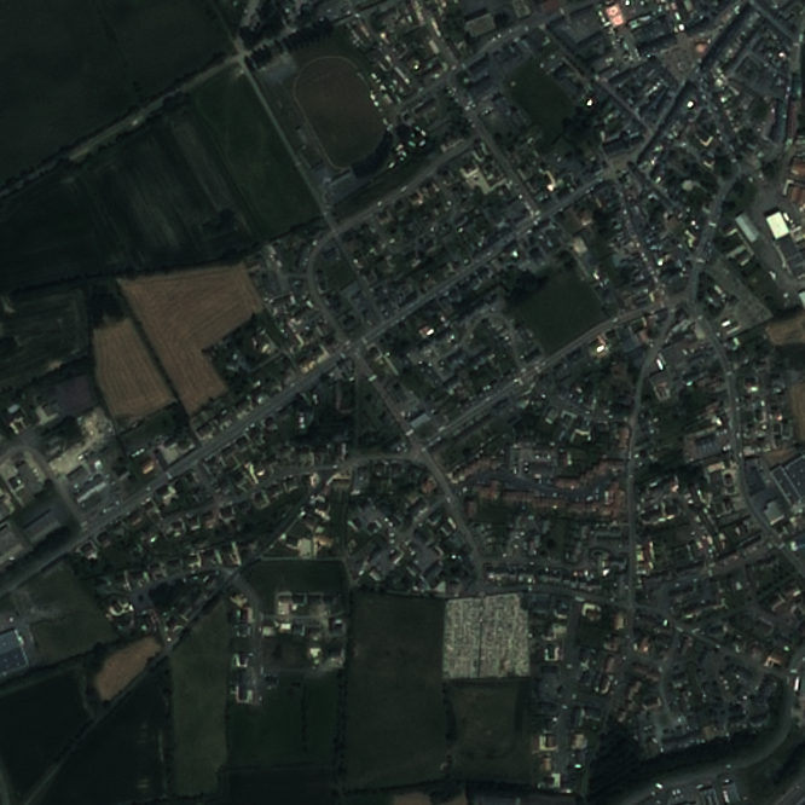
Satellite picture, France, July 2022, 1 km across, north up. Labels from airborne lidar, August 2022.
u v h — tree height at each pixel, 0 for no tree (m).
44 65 0
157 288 0
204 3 6
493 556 0
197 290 0
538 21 0
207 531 0
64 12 0
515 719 0
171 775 5
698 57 0
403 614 0
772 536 0
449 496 0
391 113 0
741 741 14
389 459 0
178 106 13
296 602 0
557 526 0
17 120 0
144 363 0
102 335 0
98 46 0
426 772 0
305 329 0
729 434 0
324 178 0
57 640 0
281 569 0
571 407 0
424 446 0
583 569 0
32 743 0
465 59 0
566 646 0
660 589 0
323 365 0
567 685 0
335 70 0
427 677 0
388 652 0
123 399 0
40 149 0
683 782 0
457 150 0
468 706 0
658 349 0
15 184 12
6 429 7
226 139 0
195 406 0
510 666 0
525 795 13
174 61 0
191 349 0
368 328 0
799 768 8
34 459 0
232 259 15
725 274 0
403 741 0
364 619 0
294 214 0
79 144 9
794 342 0
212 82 0
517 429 10
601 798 12
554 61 0
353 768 0
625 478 0
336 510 0
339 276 0
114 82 0
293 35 0
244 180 0
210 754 0
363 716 0
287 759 0
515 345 0
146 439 0
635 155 0
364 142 0
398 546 0
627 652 0
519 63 0
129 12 0
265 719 0
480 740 0
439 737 0
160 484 0
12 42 0
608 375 9
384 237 0
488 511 0
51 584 0
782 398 0
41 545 10
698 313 0
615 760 8
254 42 20
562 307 0
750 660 0
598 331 0
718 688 7
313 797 0
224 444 0
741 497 0
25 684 9
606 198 0
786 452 0
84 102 0
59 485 0
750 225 0
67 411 0
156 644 0
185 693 0
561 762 0
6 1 0
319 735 0
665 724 0
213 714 0
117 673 0
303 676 0
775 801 0
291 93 0
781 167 0
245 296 0
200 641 0
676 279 0
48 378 8
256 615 0
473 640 0
